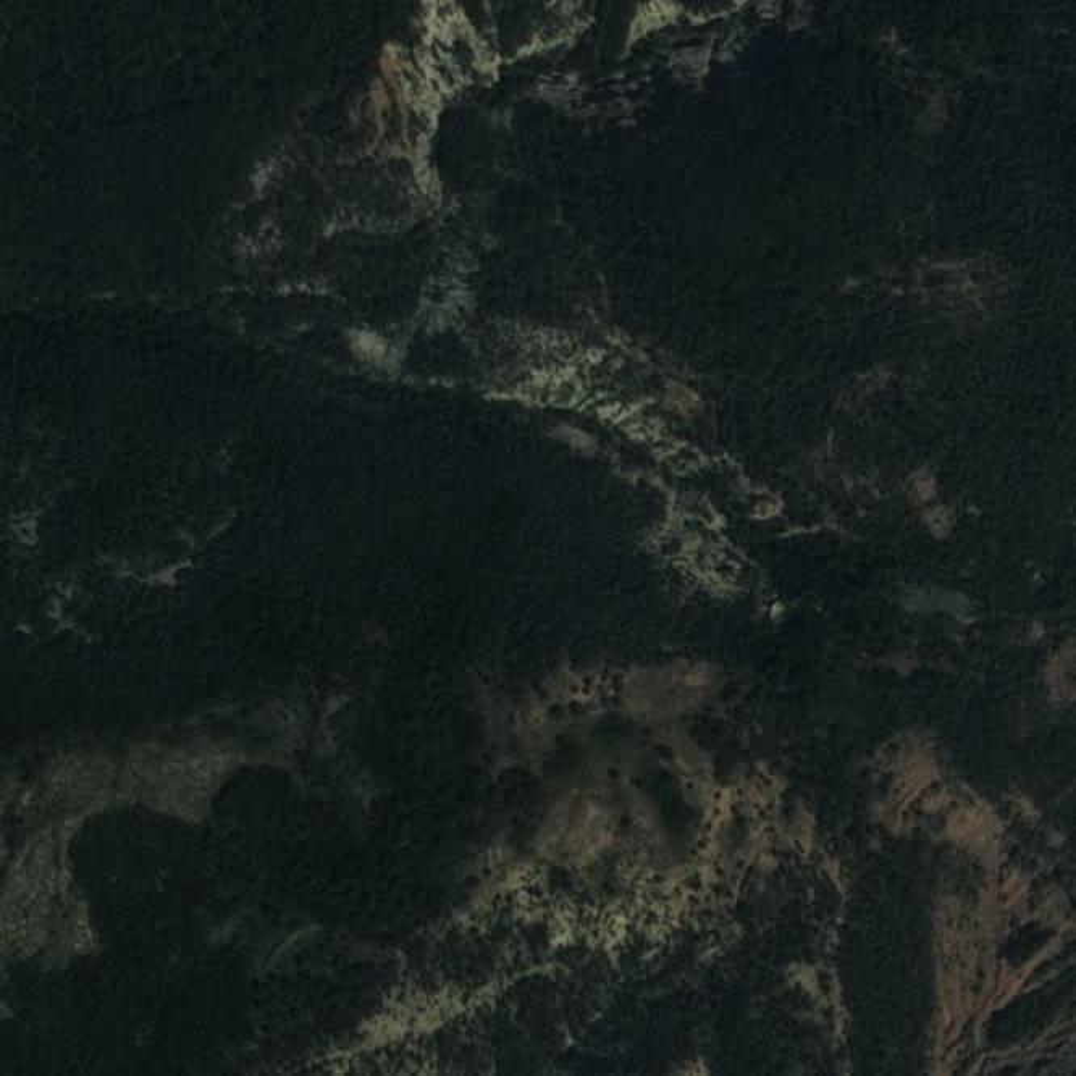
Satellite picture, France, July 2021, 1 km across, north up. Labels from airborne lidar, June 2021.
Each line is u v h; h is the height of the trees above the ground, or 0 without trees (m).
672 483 7
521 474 23
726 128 26
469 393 7
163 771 0
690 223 21
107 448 20
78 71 20
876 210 11
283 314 10
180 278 24
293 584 22
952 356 7
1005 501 8
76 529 16
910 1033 7
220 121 30
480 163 13
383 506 25
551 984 12
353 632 12
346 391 11
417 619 13
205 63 10
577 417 9
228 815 17
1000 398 9
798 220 24
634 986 11
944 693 13
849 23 19
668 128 21
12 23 22
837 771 15
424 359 12
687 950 6
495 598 16
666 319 9
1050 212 9
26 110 23
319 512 16
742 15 7
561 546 10
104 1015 8
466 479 22
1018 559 17
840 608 9
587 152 20
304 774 8
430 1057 6
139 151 29
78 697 13
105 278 27
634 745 0
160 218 24
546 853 0
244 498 20
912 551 10
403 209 13
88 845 7
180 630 13
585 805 0
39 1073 8
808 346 13
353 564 21
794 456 9
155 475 11
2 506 11
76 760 0
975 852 0
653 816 0
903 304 7
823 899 6
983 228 9
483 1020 8
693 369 8
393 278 9
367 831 6
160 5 24
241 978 9
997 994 0
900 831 0
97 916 8
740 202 24
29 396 14
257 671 11
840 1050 7
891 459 8
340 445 22
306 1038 7
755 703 11
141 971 9
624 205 25
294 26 22
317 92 10
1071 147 20
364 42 16
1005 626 14
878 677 12
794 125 25
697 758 0
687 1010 8
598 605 11
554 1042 16
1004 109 7
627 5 15
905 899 12
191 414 28
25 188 29
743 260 24
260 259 7
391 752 10
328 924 8
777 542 8
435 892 7
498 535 22
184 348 25
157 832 9
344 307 10
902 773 0
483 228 7
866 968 14
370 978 12
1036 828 10
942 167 8
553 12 6
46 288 23
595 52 13
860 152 17
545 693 9
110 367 21
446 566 27
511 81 17
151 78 14
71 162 28
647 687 0
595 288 7
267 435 24
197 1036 12
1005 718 10
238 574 17
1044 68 7
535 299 12
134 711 14
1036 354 12
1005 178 10
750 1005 6
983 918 0
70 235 22
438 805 17
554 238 16
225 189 24
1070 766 7
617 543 7
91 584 12
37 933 0
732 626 9
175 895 10
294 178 11
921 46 17
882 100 24
